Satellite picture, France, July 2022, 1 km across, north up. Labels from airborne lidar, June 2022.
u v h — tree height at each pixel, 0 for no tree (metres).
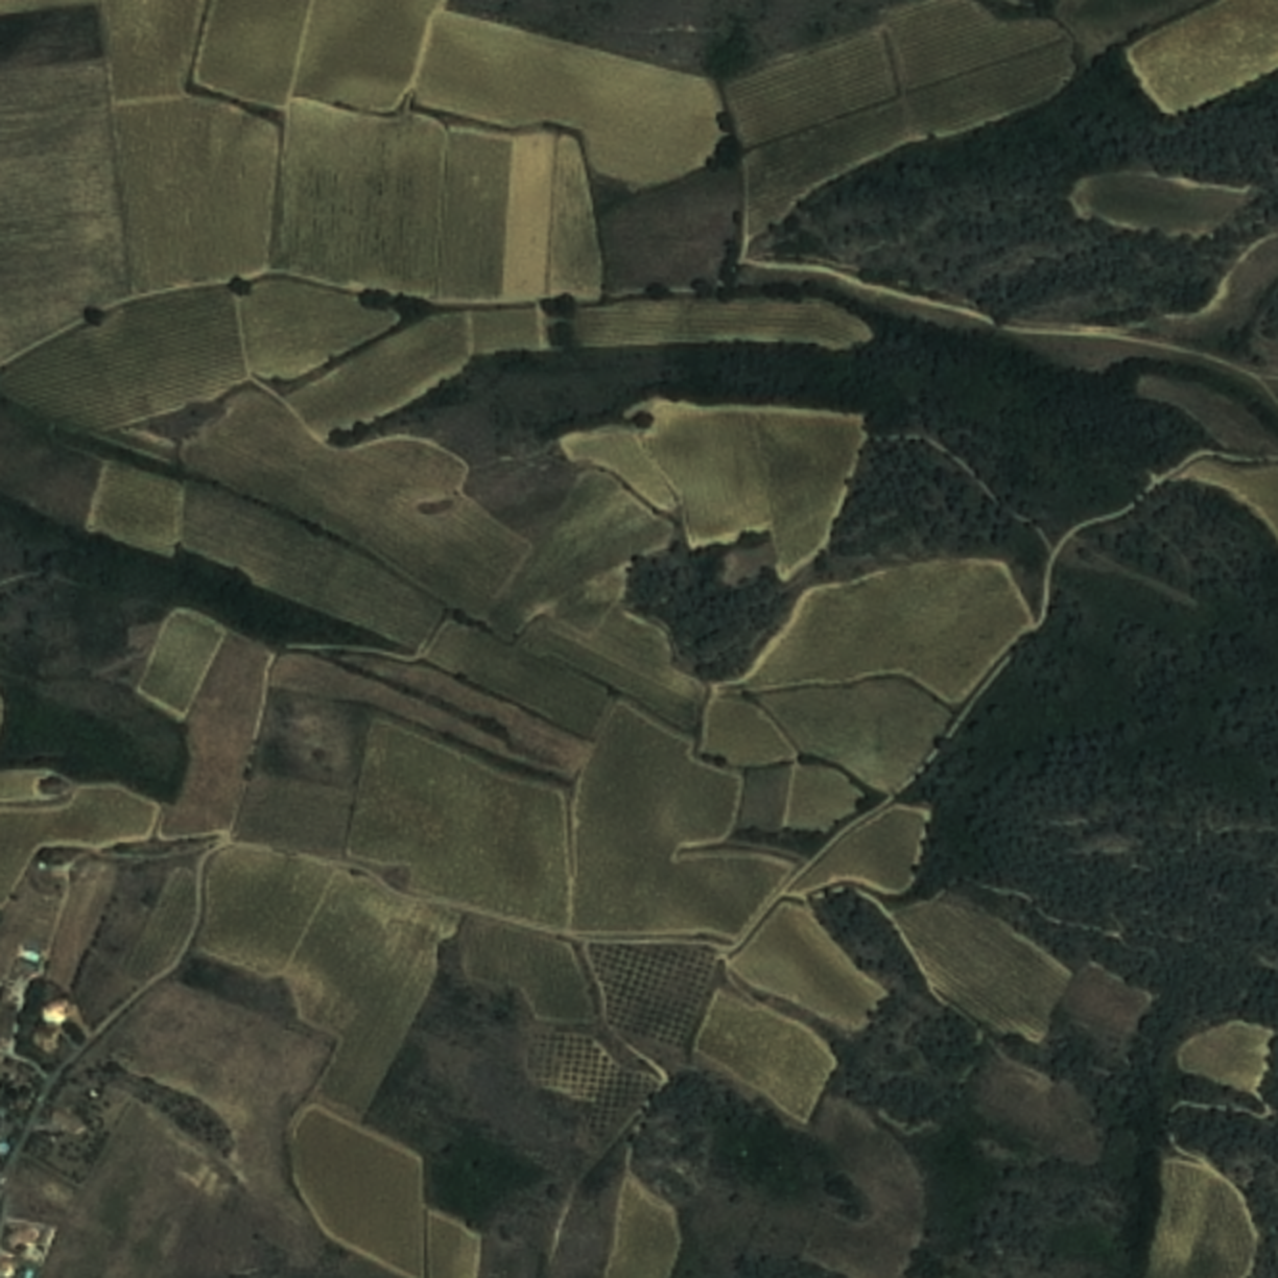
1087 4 0
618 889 0
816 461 0
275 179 0
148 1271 0
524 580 0
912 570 0
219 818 0
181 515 0
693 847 0
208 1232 0
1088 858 8
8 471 0
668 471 0
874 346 8
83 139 0
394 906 0
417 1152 0
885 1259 0
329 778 0
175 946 0
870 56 0
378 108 0
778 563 0
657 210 0
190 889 0
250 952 0
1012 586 0
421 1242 0
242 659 0
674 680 0
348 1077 0
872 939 7
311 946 0
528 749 0
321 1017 0
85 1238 0
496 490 0
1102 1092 12
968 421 8
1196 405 0
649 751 0
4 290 0
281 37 0
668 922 0
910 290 8
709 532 0
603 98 0
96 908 0
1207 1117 7
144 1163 0
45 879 0
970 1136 6
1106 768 14
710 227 0
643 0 0
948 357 15
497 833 0
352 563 0
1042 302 13
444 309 0
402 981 0
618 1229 0
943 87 0
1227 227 7
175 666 0
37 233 0
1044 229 9
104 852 0
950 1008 8
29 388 0
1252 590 15
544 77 0
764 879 0
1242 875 10
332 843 0
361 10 0
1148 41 0
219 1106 0
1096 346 0
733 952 0
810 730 0
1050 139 10
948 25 0
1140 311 8
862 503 12
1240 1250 0
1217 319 0
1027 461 9
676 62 0
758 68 0
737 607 11
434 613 0
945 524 9
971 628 0
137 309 0
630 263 0
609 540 0
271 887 0
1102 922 7
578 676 0
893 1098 8
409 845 0
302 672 0
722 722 0
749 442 0
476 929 0
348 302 0
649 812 0
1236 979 9
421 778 0
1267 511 0
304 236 0
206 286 0
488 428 0
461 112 0
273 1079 0
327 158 0
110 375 0
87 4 0
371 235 0
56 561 14
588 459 0
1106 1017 0
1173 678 10
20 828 0
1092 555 11
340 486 0
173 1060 0
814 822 0
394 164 0
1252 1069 0
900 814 0
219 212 0
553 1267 0
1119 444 13
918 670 0
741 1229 0
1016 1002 0
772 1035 0
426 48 0
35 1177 0
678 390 11
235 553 0
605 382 0
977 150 7
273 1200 0
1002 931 0
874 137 0
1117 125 13
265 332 0
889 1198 0
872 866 0
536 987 0
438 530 0
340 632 6
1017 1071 0
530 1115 0
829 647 0
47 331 0
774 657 0
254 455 0
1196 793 10
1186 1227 0
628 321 0
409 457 0
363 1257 0
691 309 0
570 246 0
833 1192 7
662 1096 12
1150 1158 14
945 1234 6
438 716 0
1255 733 10
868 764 0
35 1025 7
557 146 0
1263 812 7
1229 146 11
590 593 0
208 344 0
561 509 0
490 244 0
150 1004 0
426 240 0
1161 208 0
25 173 0
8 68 0
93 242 0
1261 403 6
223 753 0
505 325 0
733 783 0
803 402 12
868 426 9
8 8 0
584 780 0
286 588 0
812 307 0
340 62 0
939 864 8
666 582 8
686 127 0
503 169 0
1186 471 0
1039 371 13
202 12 0
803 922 0
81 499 0
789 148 0
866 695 0
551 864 0
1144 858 7
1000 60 0
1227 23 0
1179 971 10
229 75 0
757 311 0
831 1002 0
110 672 0
